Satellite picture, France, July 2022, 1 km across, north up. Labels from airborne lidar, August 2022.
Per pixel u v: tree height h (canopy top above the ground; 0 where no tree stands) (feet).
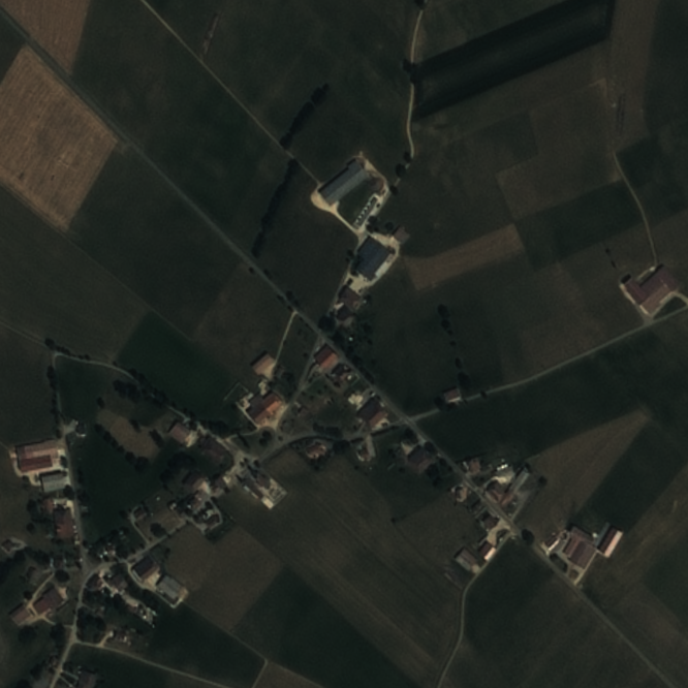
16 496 0
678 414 0
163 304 0
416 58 0
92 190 0
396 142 0
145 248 0
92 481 0
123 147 0
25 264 0
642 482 0
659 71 0
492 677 0
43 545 0
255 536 0
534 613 0
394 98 0
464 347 0
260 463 26
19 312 0
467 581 0
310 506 0
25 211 0
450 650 0
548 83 0
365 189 0
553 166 0
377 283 0
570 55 0
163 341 0
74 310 0
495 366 0
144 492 0
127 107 0
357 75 0
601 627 0
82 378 0
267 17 0
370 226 32
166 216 0
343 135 0
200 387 0
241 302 0
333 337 22
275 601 0
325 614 0
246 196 0
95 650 0
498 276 0
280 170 0
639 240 0
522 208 0
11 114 0
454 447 0
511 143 0
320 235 0
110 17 0
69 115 0
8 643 0
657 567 0
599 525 0
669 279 0
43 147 0
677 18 0
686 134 0
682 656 0
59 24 0
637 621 0
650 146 0
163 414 0
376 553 0
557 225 0
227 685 0
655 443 0
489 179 0
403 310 0
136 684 0
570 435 0
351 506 0
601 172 0
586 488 0
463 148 0
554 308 0
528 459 0
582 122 0
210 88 0
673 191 0
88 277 0
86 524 0
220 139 0
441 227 0
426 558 0
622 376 0
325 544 0
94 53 0
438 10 0
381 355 0
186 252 0
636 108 0
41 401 0
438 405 44
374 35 0
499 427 0
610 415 0
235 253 0
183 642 0
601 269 0
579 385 0
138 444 0
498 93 0
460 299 0
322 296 0
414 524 0
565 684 0
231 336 0
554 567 0
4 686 0
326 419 0
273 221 49
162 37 0
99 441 0
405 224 0
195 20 0
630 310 0
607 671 0
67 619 0
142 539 0
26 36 0
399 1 0
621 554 0
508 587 0
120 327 0
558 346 0
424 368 0
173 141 0
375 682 0
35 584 0
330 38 0
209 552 0
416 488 0
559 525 0
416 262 0
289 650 0
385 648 0
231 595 0
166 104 0
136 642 0
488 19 0
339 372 0
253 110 0
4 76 0
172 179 0
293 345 0
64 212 0
